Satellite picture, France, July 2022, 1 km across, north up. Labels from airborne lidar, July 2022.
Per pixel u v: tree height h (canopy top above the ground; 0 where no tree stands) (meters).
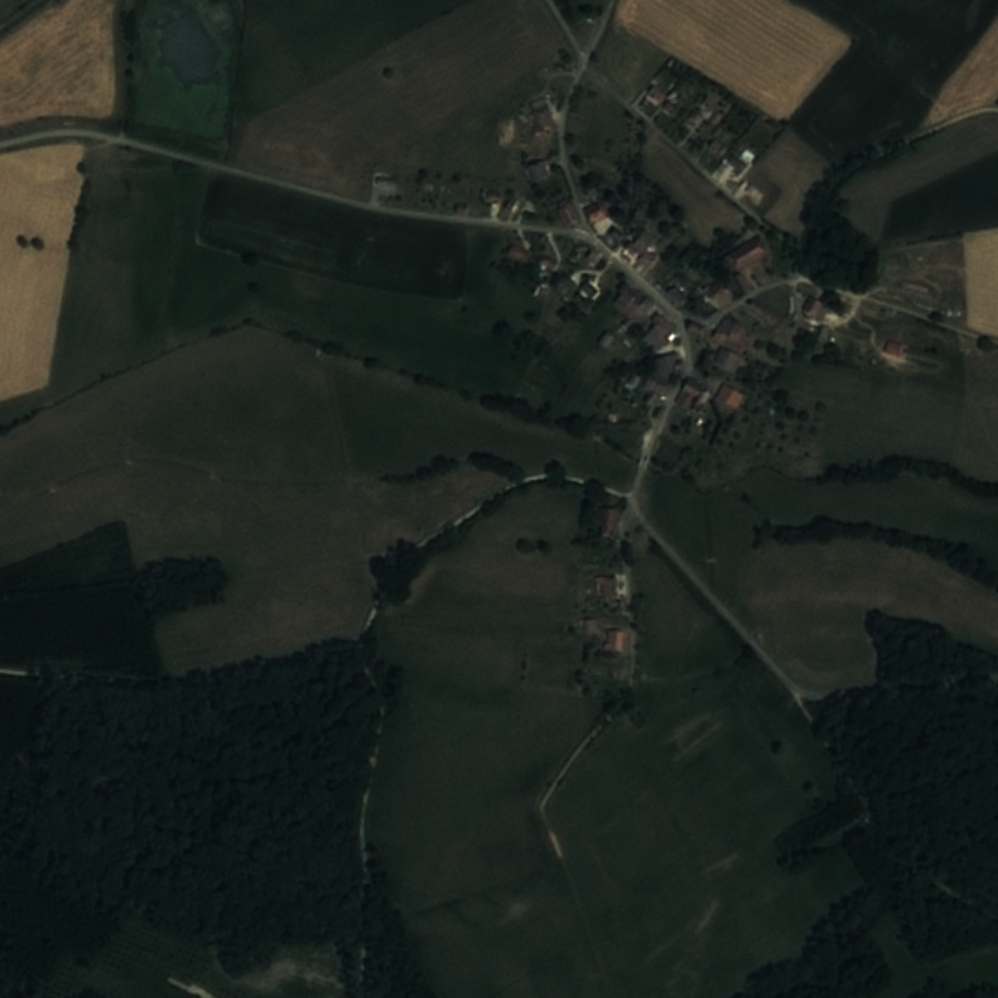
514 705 0
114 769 34
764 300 0
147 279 0
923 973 0
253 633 0
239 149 0
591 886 0
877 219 0
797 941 0
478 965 0
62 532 0
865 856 9
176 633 0
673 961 0
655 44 0
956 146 0
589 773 0
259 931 28
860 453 0
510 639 0
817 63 0
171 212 0
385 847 0
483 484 0
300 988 0
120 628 9
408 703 0
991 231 0
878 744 32
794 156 0
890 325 0
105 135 0
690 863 0
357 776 27
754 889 0
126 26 6
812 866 17
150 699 30
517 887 0
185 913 29
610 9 0
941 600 0
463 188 0
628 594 0
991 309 0
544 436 0
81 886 32
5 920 26
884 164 8
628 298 0
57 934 27
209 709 34
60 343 0
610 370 8
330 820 23
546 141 0
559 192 6
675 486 0
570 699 0
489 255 0
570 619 0
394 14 0
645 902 0
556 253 0
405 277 0
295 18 0
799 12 0
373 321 0
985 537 0
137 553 0
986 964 0
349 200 0
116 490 0
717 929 0
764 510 0
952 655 24
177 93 0
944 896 17
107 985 0
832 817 7
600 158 0
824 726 22
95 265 0
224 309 0
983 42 0
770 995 18
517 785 0
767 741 0
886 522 0
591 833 0
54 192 0
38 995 27
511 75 0
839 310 14
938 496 0
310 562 0
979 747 29
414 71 0
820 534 18
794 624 0
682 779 0
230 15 0
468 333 0
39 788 29
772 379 7
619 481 0
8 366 0
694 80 7
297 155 0
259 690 30
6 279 0
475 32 0
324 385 0
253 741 27
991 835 30
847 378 0
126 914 27
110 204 0
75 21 0
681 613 0
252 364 0
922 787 29
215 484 0
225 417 0
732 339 0
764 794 0
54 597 7
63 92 0
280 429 0
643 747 0
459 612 0
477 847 0
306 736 23
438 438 0
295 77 0
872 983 21
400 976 20
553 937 0
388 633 0
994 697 28
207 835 13
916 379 0
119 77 0
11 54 0
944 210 0
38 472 0
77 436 0
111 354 0
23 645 8
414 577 16
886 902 6
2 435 8
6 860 26
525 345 19
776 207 0
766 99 0
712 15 0
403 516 0
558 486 8
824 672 0
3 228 0
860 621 0
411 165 0
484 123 0
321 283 0
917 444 0
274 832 29
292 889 34
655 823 0
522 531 0
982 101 0
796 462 0
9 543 0
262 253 0
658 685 0
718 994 0
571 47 0
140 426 0
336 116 0
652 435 0
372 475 0
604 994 0
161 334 0
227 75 0
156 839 30
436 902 0
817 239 20
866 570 0
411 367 0
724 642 0
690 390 0
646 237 0
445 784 0
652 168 0
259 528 0
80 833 31
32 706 8
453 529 15
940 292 0
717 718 0
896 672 25
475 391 0
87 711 32
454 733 0
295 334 7
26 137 0
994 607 0
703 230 0
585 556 0
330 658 21
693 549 0
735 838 0
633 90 0
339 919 30
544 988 0
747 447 0
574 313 7
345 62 0
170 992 0
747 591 0
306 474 0
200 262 0
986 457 0
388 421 0
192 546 0
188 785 33
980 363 0
